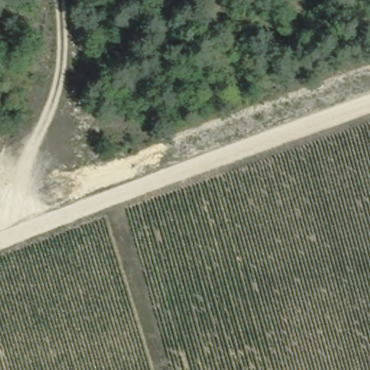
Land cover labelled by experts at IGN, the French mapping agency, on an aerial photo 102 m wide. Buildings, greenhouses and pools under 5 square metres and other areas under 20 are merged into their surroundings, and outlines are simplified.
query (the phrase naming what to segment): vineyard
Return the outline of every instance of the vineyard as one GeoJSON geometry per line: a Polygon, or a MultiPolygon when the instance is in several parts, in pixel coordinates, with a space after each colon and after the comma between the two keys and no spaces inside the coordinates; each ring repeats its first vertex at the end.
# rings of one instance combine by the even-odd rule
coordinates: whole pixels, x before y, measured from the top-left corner
{"type": "Polygon", "coordinates": [[[185,181],[146,192],[140,197],[78,218],[72,223],[59,225],[51,231],[0,250],[0,370],[370,370],[370,113],[330,129],[283,143],[273,149],[264,150],[249,158],[237,160],[230,165],[199,173],[185,181]]]}

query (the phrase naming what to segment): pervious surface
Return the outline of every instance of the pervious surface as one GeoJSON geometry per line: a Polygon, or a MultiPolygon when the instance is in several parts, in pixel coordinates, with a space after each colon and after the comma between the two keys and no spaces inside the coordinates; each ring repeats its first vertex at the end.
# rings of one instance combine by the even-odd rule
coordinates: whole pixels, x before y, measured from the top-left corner
{"type": "Polygon", "coordinates": [[[204,153],[198,158],[175,163],[130,184],[101,192],[84,201],[45,214],[43,210],[48,208],[48,205],[40,202],[39,188],[35,184],[35,179],[30,176],[30,171],[64,90],[69,40],[65,12],[59,12],[59,9],[55,10],[56,62],[48,100],[38,123],[25,139],[20,158],[7,155],[4,149],[0,152],[0,250],[51,231],[59,225],[72,223],[78,218],[140,197],[146,192],[185,181],[199,173],[230,165],[237,160],[249,158],[264,150],[273,149],[283,143],[330,129],[370,113],[370,92],[301,119],[264,130],[246,139],[237,140],[220,149],[204,153]]]}

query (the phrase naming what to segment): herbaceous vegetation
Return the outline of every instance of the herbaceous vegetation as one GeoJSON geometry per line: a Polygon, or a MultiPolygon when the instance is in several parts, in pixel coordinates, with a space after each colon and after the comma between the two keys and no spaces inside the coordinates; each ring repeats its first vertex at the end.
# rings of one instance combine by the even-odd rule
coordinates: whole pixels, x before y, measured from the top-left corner
{"type": "Polygon", "coordinates": [[[77,45],[69,40],[64,90],[30,171],[30,176],[35,179],[35,184],[39,188],[40,202],[48,205],[48,208],[43,210],[45,214],[84,201],[101,192],[130,184],[175,163],[198,158],[204,153],[220,149],[237,140],[246,139],[264,130],[301,119],[370,92],[370,59],[367,61],[369,65],[358,66],[327,78],[319,87],[312,90],[302,87],[280,95],[276,100],[243,108],[224,119],[217,119],[205,121],[201,126],[176,133],[168,145],[159,143],[158,134],[152,137],[149,132],[143,132],[142,126],[137,121],[124,121],[124,117],[120,117],[117,123],[94,119],[75,103],[101,78],[101,69],[95,58],[85,52],[77,53],[77,45]],[[97,155],[98,145],[104,139],[119,143],[119,146],[123,147],[121,153],[127,158],[104,162],[101,156],[97,155]]]}
{"type": "Polygon", "coordinates": [[[33,68],[23,77],[16,77],[13,74],[3,74],[0,77],[0,92],[6,92],[9,97],[6,104],[10,110],[16,110],[16,114],[20,114],[19,132],[0,136],[0,152],[4,149],[7,155],[20,158],[25,139],[38,123],[48,100],[56,62],[55,10],[59,9],[58,0],[0,0],[0,12],[9,10],[22,14],[32,29],[43,27],[43,42],[46,42],[46,48],[33,58],[33,68]]]}

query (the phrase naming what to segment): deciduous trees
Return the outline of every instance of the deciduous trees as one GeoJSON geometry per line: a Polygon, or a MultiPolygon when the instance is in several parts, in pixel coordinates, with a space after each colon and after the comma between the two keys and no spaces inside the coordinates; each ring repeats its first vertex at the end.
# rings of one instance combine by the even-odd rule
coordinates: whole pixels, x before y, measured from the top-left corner
{"type": "Polygon", "coordinates": [[[123,147],[119,146],[119,143],[104,139],[98,145],[97,155],[101,156],[104,162],[127,158],[121,153],[123,147]]]}
{"type": "Polygon", "coordinates": [[[158,48],[162,69],[152,71],[146,78],[139,79],[133,92],[127,88],[114,88],[106,94],[106,98],[116,103],[116,114],[120,117],[124,117],[124,121],[137,121],[142,126],[146,110],[153,107],[158,110],[159,121],[162,124],[178,124],[182,120],[178,111],[181,106],[188,108],[188,114],[198,114],[205,121],[217,119],[217,111],[208,101],[211,97],[210,85],[212,82],[223,81],[227,82],[227,87],[236,87],[237,81],[231,62],[238,61],[238,53],[225,56],[223,53],[220,64],[204,68],[195,65],[194,55],[201,51],[204,40],[211,40],[220,35],[215,29],[215,25],[220,25],[217,19],[212,19],[208,26],[194,26],[194,20],[185,20],[184,25],[178,27],[175,26],[175,19],[165,20],[165,40],[158,48]]]}
{"type": "Polygon", "coordinates": [[[221,6],[220,13],[250,20],[251,23],[264,22],[269,10],[275,10],[276,20],[280,22],[277,30],[282,35],[289,35],[292,32],[291,22],[296,14],[301,12],[301,0],[215,0],[215,3],[221,6]]]}
{"type": "Polygon", "coordinates": [[[33,58],[46,48],[46,42],[43,42],[43,27],[32,29],[22,14],[9,10],[0,12],[0,77],[3,74],[13,74],[16,77],[23,77],[33,68],[33,58]]]}
{"type": "Polygon", "coordinates": [[[101,27],[97,33],[88,36],[85,52],[95,58],[104,52],[106,42],[120,42],[120,25],[114,23],[111,29],[101,27]]]}
{"type": "Polygon", "coordinates": [[[162,14],[160,10],[163,0],[143,0],[137,13],[153,14],[153,19],[162,14]]]}

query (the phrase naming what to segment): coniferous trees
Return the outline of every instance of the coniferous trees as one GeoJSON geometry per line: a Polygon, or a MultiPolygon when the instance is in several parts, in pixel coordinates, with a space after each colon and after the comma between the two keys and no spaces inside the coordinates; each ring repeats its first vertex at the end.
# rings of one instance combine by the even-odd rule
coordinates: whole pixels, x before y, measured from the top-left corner
{"type": "Polygon", "coordinates": [[[133,92],[139,79],[146,78],[152,71],[162,69],[158,48],[165,40],[165,20],[175,19],[175,26],[178,27],[184,25],[185,20],[194,20],[194,26],[208,26],[212,19],[217,19],[220,25],[215,25],[215,29],[220,35],[211,40],[204,40],[201,51],[194,55],[195,65],[204,68],[220,64],[223,53],[225,56],[238,53],[238,61],[231,62],[237,81],[236,87],[227,87],[227,82],[223,81],[212,82],[210,85],[211,97],[208,101],[217,111],[217,119],[224,119],[243,108],[276,100],[280,95],[302,87],[312,90],[319,87],[327,78],[358,66],[369,65],[367,61],[370,59],[370,0],[301,0],[301,12],[296,14],[291,22],[292,32],[289,35],[282,35],[277,30],[280,22],[276,20],[275,10],[269,10],[264,22],[251,23],[250,20],[220,13],[221,6],[215,3],[215,0],[163,0],[160,10],[162,14],[153,19],[153,14],[137,13],[143,0],[58,0],[59,9],[59,12],[65,12],[69,40],[77,45],[77,53],[85,52],[88,36],[97,33],[101,27],[111,29],[114,23],[120,25],[120,42],[106,42],[104,52],[95,58],[101,69],[101,78],[75,103],[94,119],[117,123],[120,117],[116,114],[116,103],[106,98],[106,94],[114,88],[127,88],[133,92]]]}
{"type": "Polygon", "coordinates": [[[188,108],[181,106],[178,111],[182,120],[178,124],[162,124],[159,121],[158,110],[153,107],[146,110],[142,126],[143,132],[149,132],[152,137],[158,134],[159,143],[168,145],[176,133],[201,126],[205,121],[198,114],[188,114],[188,108]]]}

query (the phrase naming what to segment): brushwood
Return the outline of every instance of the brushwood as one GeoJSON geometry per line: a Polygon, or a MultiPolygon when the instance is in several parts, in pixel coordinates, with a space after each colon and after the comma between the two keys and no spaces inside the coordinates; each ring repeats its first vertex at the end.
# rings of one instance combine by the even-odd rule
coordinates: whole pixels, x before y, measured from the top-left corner
{"type": "Polygon", "coordinates": [[[16,114],[16,110],[10,110],[6,104],[9,97],[6,92],[0,92],[0,136],[19,132],[20,114],[16,114]]]}

